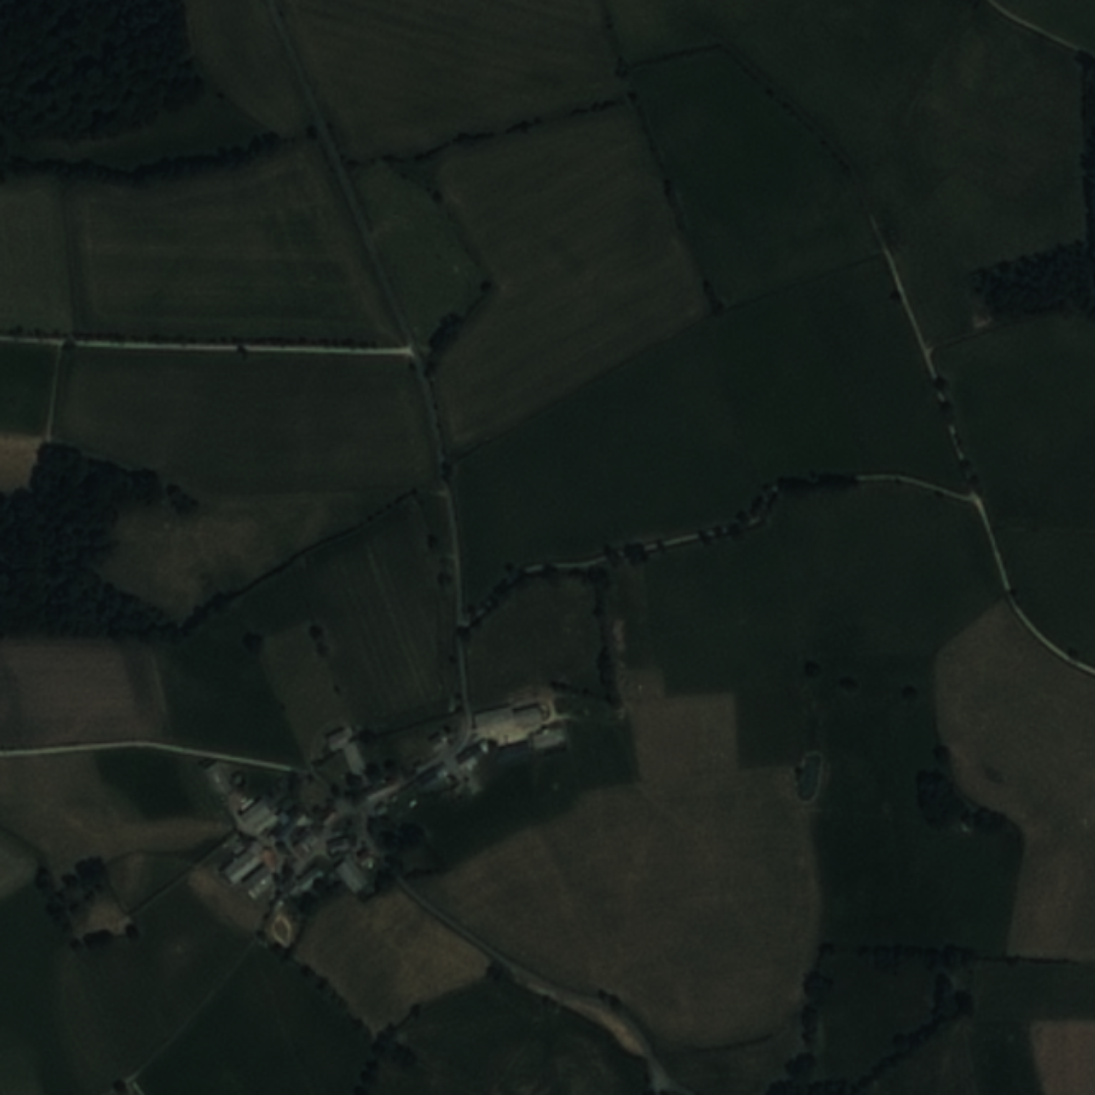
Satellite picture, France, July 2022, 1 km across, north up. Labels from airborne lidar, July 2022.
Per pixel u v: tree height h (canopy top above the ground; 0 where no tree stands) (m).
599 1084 0
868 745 0
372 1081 14
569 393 0
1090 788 0
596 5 0
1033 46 0
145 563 0
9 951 0
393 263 0
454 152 0
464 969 0
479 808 0
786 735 0
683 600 0
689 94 0
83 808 0
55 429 0
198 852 0
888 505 0
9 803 0
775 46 0
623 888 0
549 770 0
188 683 0
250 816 0
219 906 0
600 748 0
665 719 0
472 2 0
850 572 0
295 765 0
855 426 0
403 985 0
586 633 0
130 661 0
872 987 0
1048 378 0
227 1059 0
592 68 0
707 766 0
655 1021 0
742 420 0
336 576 0
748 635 0
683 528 0
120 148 0
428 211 0
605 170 0
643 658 0
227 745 0
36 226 0
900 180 0
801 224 0
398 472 0
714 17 0
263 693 0
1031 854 0
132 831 0
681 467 0
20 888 0
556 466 0
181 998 0
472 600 0
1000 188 0
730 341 0
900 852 0
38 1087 0
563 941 0
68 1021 0
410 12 0
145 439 0
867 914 0
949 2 0
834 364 0
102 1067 0
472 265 0
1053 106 0
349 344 9
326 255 0
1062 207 0
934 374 0
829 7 0
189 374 0
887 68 0
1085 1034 0
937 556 0
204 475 0
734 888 0
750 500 0
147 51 27
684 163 0
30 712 0
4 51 23
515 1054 0
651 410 0
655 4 0
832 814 0
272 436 0
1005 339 0
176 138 0
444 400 0
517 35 0
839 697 0
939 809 15
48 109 24
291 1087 0
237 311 0
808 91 0
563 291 0
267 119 0
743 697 0
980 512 0
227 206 0
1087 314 14
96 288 0
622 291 0
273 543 0
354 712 0
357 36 0
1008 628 0
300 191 0
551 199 0
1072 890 0
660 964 0
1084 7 0
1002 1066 0
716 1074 0
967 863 0
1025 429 0
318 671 0
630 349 0
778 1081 0
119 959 0
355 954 0
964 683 0
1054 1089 0
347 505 0
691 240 0
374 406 0
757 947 0
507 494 0
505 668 0
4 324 0
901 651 0
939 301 0
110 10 25
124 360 0
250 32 0
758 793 0
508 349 0
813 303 0
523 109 0
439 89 0
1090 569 0
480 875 0
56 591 8
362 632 0
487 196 0
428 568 0
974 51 0
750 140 0
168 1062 0
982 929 0
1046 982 0
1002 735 0
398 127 0
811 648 0
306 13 0
